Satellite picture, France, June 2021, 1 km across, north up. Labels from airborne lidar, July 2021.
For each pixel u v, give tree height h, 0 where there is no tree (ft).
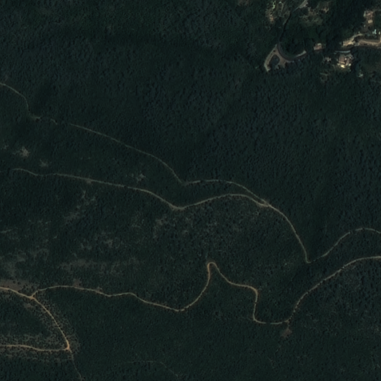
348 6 56
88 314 21
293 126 57
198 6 54
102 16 38
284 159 59
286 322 31
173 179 36
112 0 42
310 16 36
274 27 42
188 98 33
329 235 22
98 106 28
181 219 29
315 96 39
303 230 21
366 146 31
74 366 19
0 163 24
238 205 18
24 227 19
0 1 26
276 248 17
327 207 29
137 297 29
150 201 18
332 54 30
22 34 50
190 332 19
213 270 22
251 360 22
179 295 31
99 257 35
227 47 38
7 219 31
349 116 49
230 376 27
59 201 21
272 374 17
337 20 73
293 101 28
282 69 65
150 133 31
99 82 42
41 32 50
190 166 42
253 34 32
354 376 24
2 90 30
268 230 30
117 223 29
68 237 21
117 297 39
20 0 25
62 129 30
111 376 24
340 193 45
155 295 31
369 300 46
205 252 46
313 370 33
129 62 27
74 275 22
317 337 22
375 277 39
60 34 49
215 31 60
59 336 31
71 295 25
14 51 39
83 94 22
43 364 19
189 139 26
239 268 22
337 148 31
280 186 25
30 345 25
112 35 77
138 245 28
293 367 17
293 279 36
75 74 50
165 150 47
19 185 20
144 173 40
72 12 38
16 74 42
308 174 26
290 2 19
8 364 26
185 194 28
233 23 61
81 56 65
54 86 41
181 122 25
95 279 21
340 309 33
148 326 35
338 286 46
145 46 31
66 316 30
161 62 32
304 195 36
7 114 24
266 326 23
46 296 20
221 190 32
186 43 56
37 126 45
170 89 32
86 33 55
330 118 26
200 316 36
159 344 19
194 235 32
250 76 51
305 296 24
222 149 51
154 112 49
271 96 51
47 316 25
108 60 72
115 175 36
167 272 40
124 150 46
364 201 28
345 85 37
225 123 36
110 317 26
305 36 44
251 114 27
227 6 40
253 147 26
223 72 39
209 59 36
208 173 42
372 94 67
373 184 53
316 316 33
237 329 19
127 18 35
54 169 23
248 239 34
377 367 25
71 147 51
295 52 40
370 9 28
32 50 54
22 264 23
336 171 22
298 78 33
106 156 19
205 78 61
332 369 23
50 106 33
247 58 50
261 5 18
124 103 27
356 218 27
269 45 29
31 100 38
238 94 35
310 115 24
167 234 39
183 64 30
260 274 18
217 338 26
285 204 54
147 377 21
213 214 41
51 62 29
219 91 29
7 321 26
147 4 33
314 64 23
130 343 39
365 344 23
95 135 43
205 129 61
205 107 46
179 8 63
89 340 27
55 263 19
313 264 34
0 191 21
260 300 21
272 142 33
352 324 30
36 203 28
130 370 47
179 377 21
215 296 40
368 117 27
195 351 17
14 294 25
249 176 46
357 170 26
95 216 29
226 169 17
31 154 19
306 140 33
